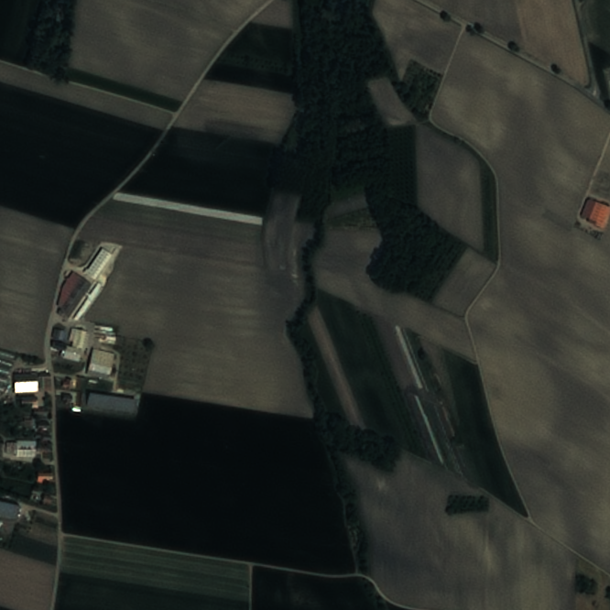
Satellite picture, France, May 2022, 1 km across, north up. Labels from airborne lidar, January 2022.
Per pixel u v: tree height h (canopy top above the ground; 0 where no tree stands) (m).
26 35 0
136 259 0
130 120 0
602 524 0
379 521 0
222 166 0
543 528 0
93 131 0
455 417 0
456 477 0
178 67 0
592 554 0
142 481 0
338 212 0
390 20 0
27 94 0
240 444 0
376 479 0
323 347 0
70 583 0
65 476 0
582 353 0
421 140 0
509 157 0
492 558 0
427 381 0
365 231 0
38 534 0
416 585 0
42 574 0
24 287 0
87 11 0
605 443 0
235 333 0
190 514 0
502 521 0
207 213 0
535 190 0
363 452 18
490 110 0
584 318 0
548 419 0
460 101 0
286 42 0
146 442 0
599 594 0
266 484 0
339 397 0
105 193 0
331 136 23
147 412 0
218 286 0
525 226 0
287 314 0
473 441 0
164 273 0
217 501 0
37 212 0
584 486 0
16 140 0
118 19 0
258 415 0
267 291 0
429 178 0
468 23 0
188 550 0
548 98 0
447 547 0
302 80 11
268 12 0
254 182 0
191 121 0
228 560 0
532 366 0
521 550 0
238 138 0
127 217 0
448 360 0
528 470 0
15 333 0
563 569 0
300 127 18
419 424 0
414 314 0
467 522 0
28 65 17
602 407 0
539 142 0
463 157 0
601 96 0
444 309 0
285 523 0
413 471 0
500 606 0
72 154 0
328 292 0
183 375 0
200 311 0
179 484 0
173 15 0
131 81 0
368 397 0
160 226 0
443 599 0
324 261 0
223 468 0
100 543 0
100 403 0
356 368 0
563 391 0
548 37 0
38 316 0
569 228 0
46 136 0
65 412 0
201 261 0
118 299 0
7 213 0
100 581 0
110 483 0
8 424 6
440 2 0
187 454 0
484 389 0
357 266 0
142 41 0
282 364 0
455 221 0
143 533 0
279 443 0
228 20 0
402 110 0
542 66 0
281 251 0
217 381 0
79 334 0
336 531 0
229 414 0
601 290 0
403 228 19
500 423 0
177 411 0
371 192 21
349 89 25
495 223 0
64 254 0
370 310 0
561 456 0
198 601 0
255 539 0
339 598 0
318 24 17
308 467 0
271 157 0
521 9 0
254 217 0
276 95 0
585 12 0
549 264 0
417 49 0
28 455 0
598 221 0
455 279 0
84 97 0
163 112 0
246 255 0
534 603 0
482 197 0
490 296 0
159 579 0
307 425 0
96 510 0
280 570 0
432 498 0
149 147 0
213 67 0
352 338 0
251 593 0
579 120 0
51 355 0
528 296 0
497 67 0
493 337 0
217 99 0
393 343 0
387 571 0
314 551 0
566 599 0
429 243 14
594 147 0
